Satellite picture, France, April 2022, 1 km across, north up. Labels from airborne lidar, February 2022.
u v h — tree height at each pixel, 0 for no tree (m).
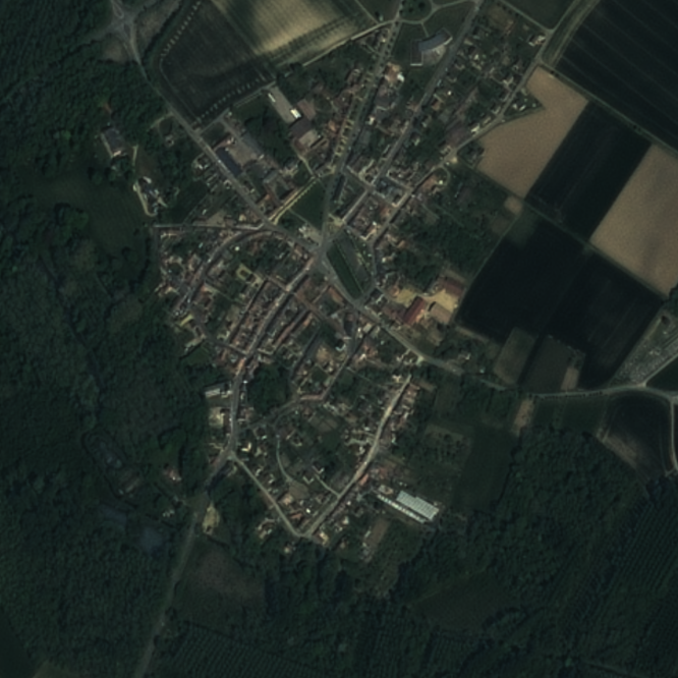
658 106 0
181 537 17
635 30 0
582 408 0
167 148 19
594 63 0
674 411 0
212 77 0
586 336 0
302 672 29
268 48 0
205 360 0
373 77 0
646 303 0
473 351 20
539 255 0
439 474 0
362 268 0
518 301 0
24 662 0
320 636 22
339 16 0
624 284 0
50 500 36
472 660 16
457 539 17
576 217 0
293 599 34
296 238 0
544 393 0
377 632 15
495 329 0
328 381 0
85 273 23
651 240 0
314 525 0
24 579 22
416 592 33
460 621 0
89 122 16
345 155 0
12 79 22
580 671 32
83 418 7
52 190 0
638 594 11
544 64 0
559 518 26
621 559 8
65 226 28
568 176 0
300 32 0
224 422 0
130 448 20
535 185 0
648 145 0
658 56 0
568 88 0
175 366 19
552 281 0
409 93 0
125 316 38
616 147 0
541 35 0
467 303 0
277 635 19
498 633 24
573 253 0
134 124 22
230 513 25
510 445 0
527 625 24
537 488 24
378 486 0
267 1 0
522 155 0
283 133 9
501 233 0
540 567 23
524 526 30
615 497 20
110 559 20
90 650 22
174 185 10
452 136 0
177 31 0
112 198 0
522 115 0
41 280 38
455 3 0
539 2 0
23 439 10
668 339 0
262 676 30
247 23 0
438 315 0
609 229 0
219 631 0
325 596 23
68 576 19
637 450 0
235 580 0
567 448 27
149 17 0
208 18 0
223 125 0
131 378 21
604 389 0
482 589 0
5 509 23
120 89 16
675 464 0
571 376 0
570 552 19
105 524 7
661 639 9
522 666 37
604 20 0
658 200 0
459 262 6
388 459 0
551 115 0
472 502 0
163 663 15
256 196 0
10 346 7
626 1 0
